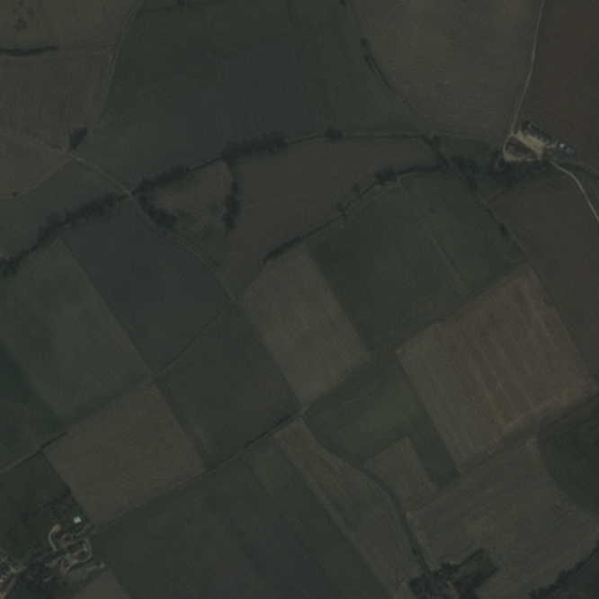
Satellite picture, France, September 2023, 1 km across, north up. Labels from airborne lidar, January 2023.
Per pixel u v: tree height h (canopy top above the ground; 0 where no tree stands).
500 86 0
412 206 0
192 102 0
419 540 0
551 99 0
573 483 0
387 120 0
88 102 0
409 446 0
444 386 0
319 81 0
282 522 0
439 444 0
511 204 0
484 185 0
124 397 0
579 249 0
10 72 0
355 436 0
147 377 0
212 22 0
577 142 0
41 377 0
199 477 0
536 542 0
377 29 0
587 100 0
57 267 0
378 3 0
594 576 0
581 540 0
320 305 0
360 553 0
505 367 0
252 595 0
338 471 0
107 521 0
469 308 0
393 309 0
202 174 0
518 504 0
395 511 0
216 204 0
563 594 0
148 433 0
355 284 0
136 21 0
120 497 0
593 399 0
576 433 0
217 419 0
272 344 0
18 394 0
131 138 0
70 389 0
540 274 0
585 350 0
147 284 0
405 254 0
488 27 0
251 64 0
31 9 0
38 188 0
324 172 0
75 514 0
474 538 0
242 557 0
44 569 12
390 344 0
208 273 0
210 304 0
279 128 0
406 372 0
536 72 0
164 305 0
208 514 0
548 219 0
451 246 0
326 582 0
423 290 0
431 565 0
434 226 0
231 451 0
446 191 0
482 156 0
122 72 0
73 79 0
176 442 0
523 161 0
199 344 0
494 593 0
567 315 0
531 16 0
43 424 0
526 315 0
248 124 0
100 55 0
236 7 0
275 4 0
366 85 0
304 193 0
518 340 0
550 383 0
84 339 0
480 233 0
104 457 0
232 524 0
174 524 0
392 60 0
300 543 0
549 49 0
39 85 0
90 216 12
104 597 0
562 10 0
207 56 0
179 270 0
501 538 0
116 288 0
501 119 0
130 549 0
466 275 0
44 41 0
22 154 0
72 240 0
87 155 0
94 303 0
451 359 0
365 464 0
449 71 0
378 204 0
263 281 0
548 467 0
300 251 0
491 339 0
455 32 0
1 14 0
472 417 0
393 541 0
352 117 0
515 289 0
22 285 0
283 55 0
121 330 0
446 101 0
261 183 0
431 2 0
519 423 0
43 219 0
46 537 0
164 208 0
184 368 0
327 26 0
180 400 0
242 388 0
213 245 0
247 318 0
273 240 0
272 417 0
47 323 0
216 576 0
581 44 0
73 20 0
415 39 0
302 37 0
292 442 0
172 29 0
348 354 0
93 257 0
